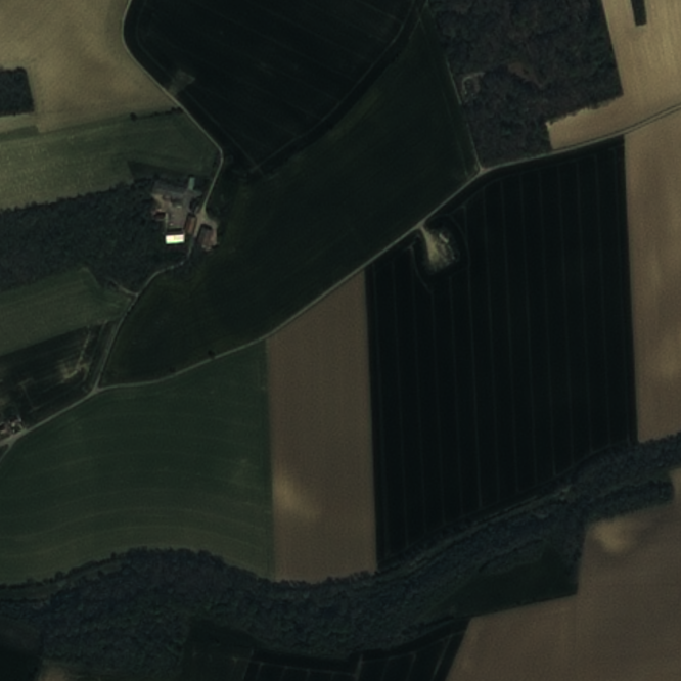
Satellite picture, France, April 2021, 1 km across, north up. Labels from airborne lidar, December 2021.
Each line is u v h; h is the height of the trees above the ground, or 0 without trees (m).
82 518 0
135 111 0
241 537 0
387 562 0
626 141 0
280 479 0
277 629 18
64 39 0
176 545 0
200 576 31
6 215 12
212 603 17
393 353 0
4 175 0
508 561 9
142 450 0
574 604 0
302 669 0
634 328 0
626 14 0
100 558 0
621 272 0
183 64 0
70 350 0
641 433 0
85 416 0
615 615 0
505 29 17
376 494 0
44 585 7
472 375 0
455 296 0
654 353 0
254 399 0
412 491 0
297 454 0
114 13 0
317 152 0
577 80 16
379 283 0
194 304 0
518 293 0
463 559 8
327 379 0
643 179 0
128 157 0
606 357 0
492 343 0
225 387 0
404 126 0
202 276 0
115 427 0
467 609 0
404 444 0
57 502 0
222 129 0
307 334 0
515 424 0
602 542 0
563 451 0
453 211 0
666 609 0
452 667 0
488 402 0
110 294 0
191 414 0
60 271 15
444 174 0
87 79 0
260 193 0
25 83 9
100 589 7
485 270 0
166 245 11
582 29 8
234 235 0
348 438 0
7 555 0
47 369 0
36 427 0
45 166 0
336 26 0
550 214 0
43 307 0
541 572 0
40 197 0
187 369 0
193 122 0
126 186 11
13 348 0
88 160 0
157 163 0
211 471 0
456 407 0
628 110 0
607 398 0
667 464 8
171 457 0
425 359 0
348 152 0
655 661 0
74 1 0
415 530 0
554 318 0
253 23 0
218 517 0
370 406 0
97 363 0
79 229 18
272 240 0
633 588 0
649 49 0
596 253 0
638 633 0
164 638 25
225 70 0
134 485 0
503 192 0
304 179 0
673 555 0
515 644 0
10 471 0
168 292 0
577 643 0
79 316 0
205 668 0
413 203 0
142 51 0
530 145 18
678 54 0
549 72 15
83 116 0
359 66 0
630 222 0
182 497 0
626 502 19
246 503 0
